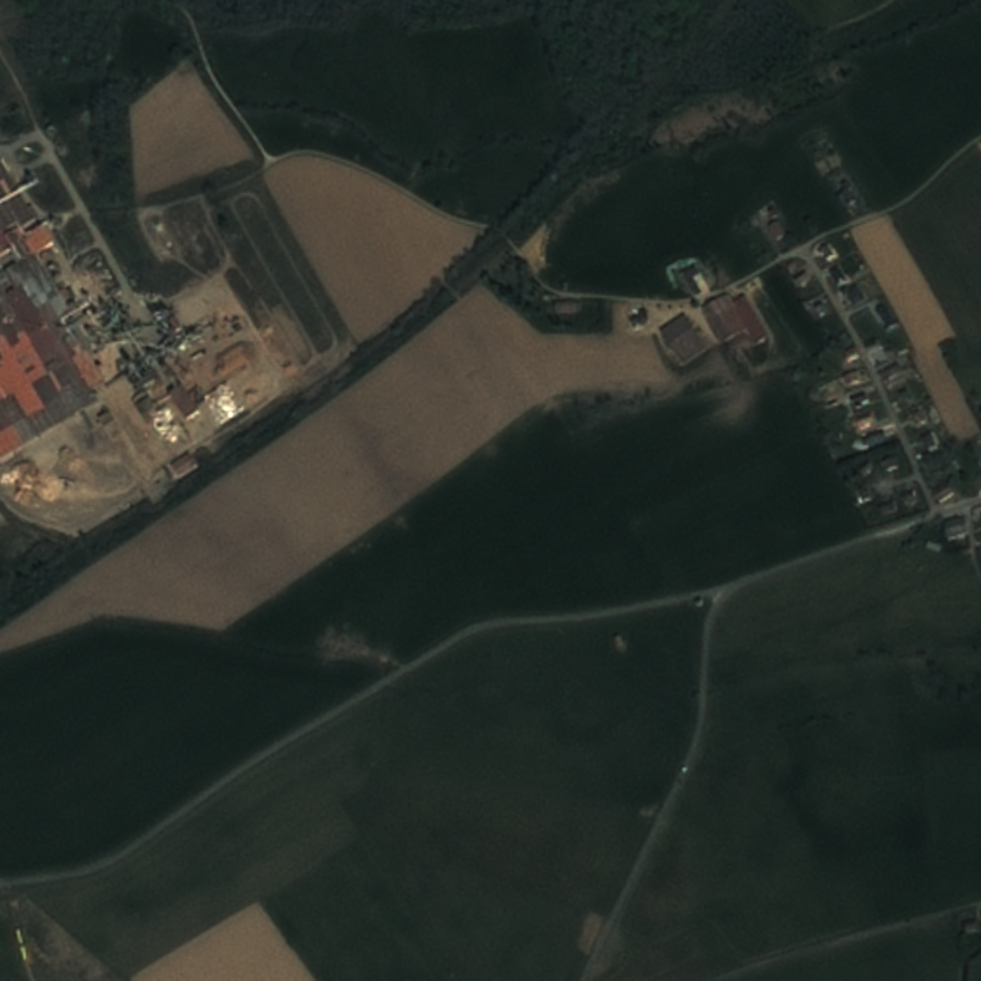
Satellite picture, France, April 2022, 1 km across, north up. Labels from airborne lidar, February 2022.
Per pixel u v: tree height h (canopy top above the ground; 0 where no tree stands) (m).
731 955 0
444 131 0
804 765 0
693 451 0
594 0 31
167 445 0
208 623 0
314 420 0
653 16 29
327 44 0
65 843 0
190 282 0
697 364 0
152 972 0
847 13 0
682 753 0
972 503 0
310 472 0
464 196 0
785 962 0
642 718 0
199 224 0
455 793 0
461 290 0
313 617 0
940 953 0
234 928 0
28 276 0
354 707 0
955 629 0
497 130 0
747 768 0
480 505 0
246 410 0
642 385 0
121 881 0
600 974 0
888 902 0
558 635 0
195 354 0
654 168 0
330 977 0
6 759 0
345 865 0
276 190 0
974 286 0
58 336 0
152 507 0
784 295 0
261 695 0
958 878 0
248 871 0
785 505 0
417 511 0
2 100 0
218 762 0
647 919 0
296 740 0
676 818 0
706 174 0
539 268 0
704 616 0
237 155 0
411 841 0
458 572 0
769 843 0
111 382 0
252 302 0
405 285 0
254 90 0
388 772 0
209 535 0
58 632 0
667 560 0
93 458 0
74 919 0
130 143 24
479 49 0
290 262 0
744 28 0
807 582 0
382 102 0
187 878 0
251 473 0
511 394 0
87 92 0
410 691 0
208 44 0
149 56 0
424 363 0
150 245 0
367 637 0
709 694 0
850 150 0
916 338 0
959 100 0
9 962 0
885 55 0
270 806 0
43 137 0
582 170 9
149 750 0
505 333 0
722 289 0
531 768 0
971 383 0
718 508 0
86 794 0
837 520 0
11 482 0
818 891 0
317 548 0
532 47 0
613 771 0
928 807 0
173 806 0
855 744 0
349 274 0
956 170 0
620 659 0
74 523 0
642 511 0
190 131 0
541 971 0
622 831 0
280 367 0
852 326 0
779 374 0
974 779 0
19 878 0
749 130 20
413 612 0
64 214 0
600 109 22
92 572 0
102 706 0
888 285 0
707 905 0
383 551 0
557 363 0
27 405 0
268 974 0
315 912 0
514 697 0
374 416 0
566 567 0
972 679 0
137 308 0
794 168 0
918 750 0
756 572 0
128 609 0
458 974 0
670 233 0
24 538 0
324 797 0
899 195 0
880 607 0
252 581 0
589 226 0
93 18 16
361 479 0
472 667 0
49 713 0
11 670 0
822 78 0
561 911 0
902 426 0
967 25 0
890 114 0
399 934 0
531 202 9
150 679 0
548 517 0
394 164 13
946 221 0
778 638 0
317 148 0
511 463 0
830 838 0
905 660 0
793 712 0
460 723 0
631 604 0
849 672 0
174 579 0
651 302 0
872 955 0
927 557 0
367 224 0
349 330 0
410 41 0
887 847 0
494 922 0
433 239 0
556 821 0
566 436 0
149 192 0
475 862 0
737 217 0
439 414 0
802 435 0
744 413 0
